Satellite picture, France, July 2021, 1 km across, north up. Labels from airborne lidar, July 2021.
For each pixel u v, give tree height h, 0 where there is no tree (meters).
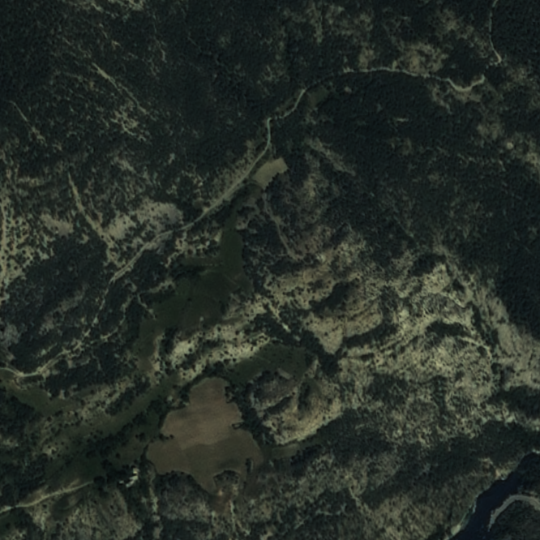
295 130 7
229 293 0
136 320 10
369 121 8
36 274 6
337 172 6
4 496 8
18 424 12
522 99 12
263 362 0
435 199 11
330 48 7
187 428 0
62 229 0
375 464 8
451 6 9
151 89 9
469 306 9
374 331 11
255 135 8
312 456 7
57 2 8
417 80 10
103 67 10
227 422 0
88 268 11
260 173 0
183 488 0
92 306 8
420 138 12
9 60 11
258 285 7
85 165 8
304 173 9
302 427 0
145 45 5
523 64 9
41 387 7
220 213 8
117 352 6
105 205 6
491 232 9
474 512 0
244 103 13
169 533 6
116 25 9
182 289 0
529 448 14
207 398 0
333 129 9
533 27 10
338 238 9
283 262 9
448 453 11
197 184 6
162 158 7
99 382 9
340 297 10
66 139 7
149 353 0
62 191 8
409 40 8
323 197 7
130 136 7
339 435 8
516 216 14
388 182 7
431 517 8
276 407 9
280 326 7
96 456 15
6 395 7
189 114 9
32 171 7
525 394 13
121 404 9
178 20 12
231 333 0
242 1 10
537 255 8
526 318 14
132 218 7
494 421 7
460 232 6
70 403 0
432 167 8
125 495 7
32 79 8
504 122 10
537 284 11
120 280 8
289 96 8
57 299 7
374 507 6
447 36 8
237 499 0
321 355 11
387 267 8
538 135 8
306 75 7
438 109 10
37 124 9
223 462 0
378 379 9
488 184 9
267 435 9
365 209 7
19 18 12
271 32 11
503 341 0
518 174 13
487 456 9
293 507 8
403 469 12
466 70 10
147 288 7
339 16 6
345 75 10
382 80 8
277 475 0
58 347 6
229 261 0
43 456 7
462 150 9
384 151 10
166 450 0
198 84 11
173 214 0
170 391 0
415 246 11
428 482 9
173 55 6
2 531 0
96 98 8
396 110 14
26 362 6
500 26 14
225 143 10
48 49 9
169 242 7
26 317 9
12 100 9
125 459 0
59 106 9
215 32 7
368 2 10
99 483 14
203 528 6
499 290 8
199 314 0
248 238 8
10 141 6
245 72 6
